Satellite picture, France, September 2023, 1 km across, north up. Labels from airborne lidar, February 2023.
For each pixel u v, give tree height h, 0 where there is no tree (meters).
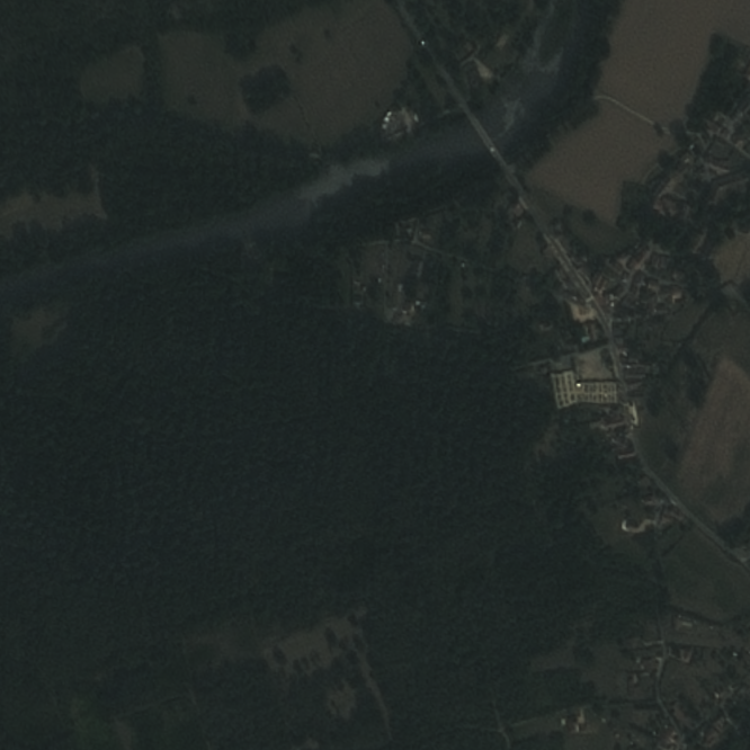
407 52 0
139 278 17
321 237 25
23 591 19
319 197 0
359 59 0
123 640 13
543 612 15
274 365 21
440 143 0
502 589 13
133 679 19
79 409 11
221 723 19
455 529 19
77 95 11
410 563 20
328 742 16
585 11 17
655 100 0
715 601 0
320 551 17
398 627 15
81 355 20
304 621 16
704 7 0
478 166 13
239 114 0
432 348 18
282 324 23
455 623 17
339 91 0
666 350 8
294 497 17
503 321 9
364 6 0
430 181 18
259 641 0
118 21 11
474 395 17
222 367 23
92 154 20
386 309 0
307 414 13
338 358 16
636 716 0
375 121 0
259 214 0
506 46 0
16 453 9
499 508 19
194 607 16
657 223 18
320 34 0
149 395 11
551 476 12
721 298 29
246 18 15
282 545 13
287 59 0
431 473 9
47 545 26
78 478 11
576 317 0
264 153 29
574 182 0
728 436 0
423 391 22
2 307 17
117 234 18
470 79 0
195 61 0
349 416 12
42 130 22
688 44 0
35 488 11
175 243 0
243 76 0
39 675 10
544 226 0
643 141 0
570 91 20
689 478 0
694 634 0
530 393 22
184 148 23
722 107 7
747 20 0
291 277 8
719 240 12
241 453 24
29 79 19
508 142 0
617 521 0
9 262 18
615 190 0
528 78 0
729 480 0
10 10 20
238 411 15
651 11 0
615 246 0
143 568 19
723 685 13
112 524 17
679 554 0
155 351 14
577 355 0
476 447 24
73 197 0
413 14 11
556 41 0
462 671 20
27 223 0
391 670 17
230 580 16
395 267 0
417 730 14
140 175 17
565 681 7
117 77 0
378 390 15
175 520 25
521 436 18
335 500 14
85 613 16
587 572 17
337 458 13
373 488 10
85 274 25
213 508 16
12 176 11
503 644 16
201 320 24
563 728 0
